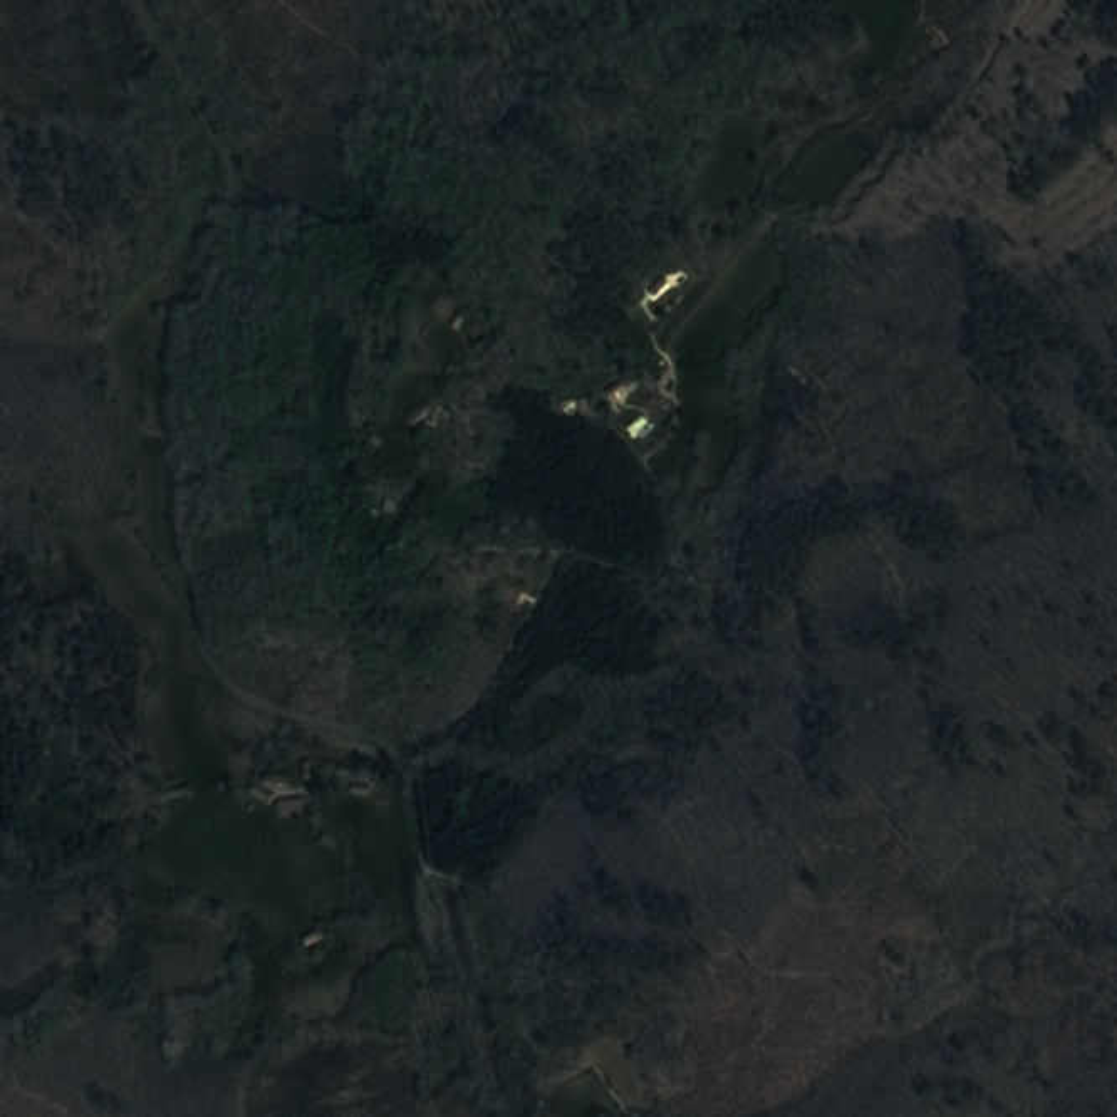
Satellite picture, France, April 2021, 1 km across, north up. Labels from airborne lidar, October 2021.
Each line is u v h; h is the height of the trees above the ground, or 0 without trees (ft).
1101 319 66
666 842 53
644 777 25
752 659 106
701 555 72
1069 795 52
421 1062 117
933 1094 88
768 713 66
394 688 42
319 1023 30
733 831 51
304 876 0
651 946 54
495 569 70
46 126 56
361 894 41
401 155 76
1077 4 62
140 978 27
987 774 62
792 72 69
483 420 58
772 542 87
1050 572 49
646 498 51
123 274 57
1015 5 50
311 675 52
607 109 92
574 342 50
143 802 61
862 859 28
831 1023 0
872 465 34
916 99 33
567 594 62
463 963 17
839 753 67
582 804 50
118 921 49
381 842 0
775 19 79
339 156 26
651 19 58
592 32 66
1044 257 66
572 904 57
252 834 0
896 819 55
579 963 47
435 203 80
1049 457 75
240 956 53
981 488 22
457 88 70
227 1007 48
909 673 43
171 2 47
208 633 60
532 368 42
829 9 77
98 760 52
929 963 53
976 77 54
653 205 66
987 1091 52
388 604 45
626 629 52
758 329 39
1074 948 71
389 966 59
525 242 70
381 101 44
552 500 66
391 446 0
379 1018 63
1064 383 63
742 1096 22
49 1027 61
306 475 57
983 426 23
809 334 51
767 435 31
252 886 0
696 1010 66
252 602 54
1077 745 41
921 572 57
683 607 86
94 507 31
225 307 66
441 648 59
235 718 0
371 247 37
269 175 32
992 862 44
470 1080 62
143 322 0
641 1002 63
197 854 0
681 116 65
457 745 91
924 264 45
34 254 21
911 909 26
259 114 54
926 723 60
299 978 0
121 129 64
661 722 78
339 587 34
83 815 46
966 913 45
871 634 40
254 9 18
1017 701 54
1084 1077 26
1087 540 60
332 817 0
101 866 41
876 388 39
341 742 0
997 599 46
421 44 63
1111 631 38
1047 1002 22
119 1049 53
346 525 42
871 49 0
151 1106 41
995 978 35
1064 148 73
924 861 58
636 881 58
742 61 68
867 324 43
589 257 77
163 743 0
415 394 0
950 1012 25
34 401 47
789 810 27
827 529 93
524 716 94
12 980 34
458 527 17
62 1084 59
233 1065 44
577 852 54
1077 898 54
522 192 80
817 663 96
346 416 53
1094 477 67
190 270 45
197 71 50
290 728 65
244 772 0
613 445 58
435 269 43
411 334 54
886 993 46
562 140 78
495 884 59
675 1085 48
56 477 18
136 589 0
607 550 54
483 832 52
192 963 0
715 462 0
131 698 56
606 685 99
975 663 52
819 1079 19
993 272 75
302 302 61
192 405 77
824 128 24
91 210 98
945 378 27
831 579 50
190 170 71
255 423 41
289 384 54
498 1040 41
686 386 0
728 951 48
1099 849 58
